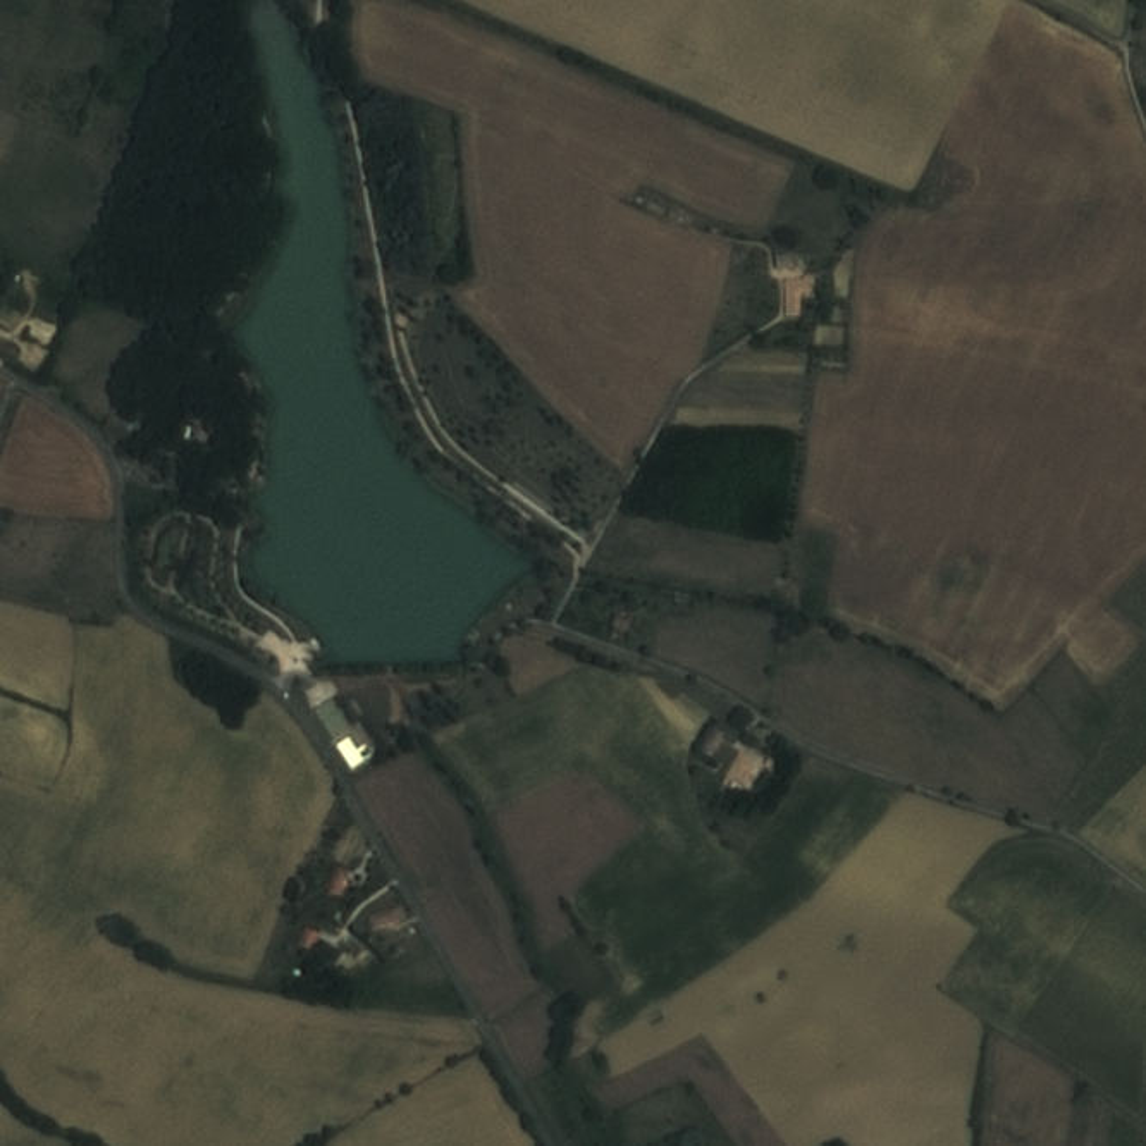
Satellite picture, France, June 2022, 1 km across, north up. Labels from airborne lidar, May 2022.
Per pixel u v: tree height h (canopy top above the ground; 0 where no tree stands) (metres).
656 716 0
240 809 0
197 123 24
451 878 0
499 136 0
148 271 16
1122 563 0
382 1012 0
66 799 0
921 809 0
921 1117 0
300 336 0
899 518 0
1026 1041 0
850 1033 0
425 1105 0
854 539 0
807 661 0
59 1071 0
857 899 0
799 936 0
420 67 0
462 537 0
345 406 0
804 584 0
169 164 22
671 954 0
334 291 0
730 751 0
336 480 0
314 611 0
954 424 0
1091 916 0
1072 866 0
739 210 0
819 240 0
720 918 0
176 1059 0
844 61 0
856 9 0
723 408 0
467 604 0
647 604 8
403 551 0
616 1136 0
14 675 0
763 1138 0
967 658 0
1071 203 0
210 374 21
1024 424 0
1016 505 0
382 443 0
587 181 0
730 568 0
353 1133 0
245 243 20
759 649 0
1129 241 0
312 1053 0
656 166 0
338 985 16
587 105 0
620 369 0
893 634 0
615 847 0
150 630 0
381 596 0
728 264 0
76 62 0
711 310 0
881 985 0
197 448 16
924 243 0
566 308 0
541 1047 0
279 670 0
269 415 22
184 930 0
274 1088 0
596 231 0
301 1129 0
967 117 0
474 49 0
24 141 0
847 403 0
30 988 0
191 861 0
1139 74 0
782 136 0
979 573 0
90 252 9
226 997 0
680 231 0
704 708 0
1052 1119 0
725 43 0
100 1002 0
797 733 0
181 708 0
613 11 0
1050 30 0
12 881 0
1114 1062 0
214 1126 0
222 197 6
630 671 0
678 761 0
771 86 0
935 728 0
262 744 0
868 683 0
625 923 0
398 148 17
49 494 0
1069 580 0
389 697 0
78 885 0
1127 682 0
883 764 0
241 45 24
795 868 0
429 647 0
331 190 0
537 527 20
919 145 0
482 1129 0
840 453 0
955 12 0
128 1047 0
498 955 0
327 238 0
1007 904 0
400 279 0
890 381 0
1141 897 0
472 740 0
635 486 8
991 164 0
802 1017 0
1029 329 0
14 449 0
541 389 0
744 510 12
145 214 22
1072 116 0
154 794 0
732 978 0
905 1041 0
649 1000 0
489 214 0
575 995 13
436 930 0
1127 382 0
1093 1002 0
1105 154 0
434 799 0
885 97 0
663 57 0
